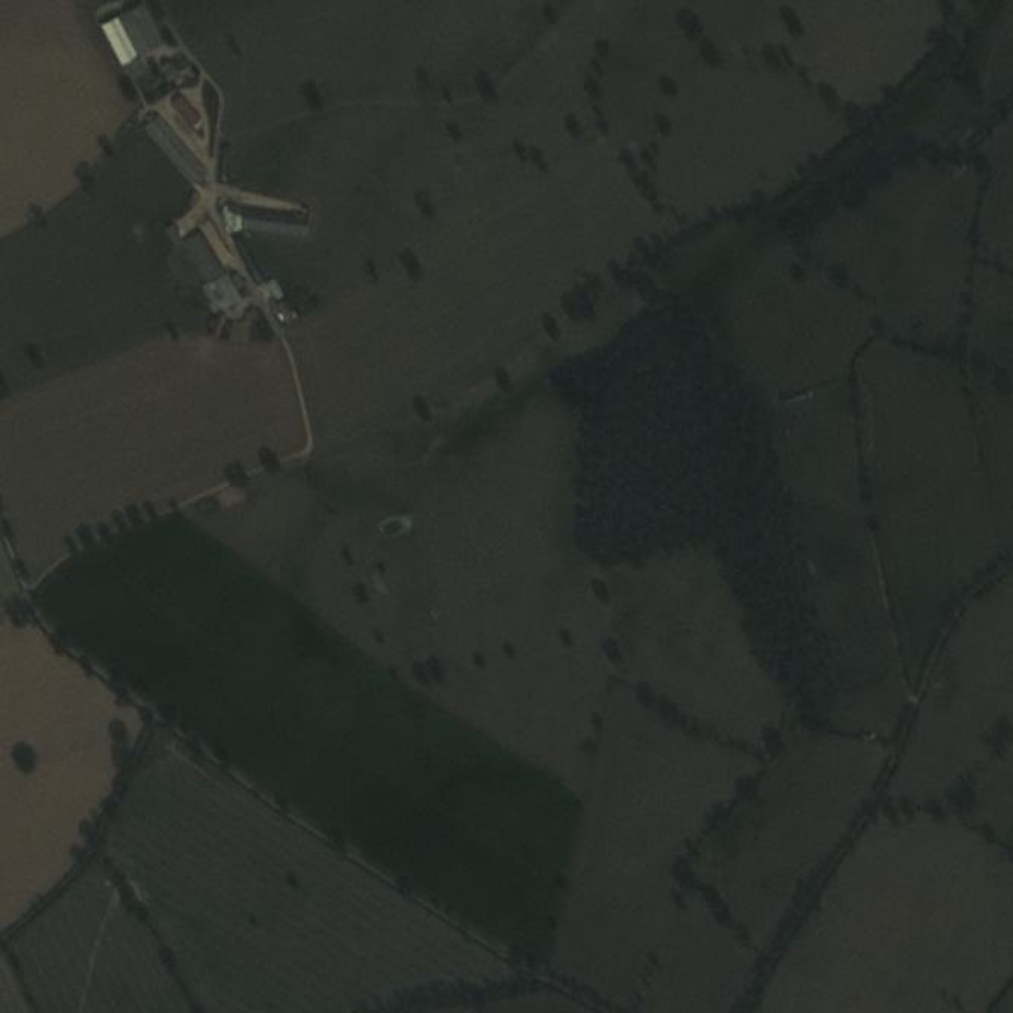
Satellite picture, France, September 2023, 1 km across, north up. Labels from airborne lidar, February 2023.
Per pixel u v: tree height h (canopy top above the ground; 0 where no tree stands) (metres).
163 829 0
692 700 0
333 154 0
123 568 0
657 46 0
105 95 0
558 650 0
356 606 0
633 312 0
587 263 0
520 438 0
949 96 0
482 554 0
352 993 0
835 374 0
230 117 0
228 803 0
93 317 0
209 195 0
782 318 0
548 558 0
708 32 0
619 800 0
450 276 0
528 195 0
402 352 0
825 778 0
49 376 0
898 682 0
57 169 0
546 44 0
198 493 0
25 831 0
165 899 0
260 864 0
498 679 0
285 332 0
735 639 0
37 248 0
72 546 13
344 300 0
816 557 0
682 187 0
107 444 0
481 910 0
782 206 8
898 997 0
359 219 0
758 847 0
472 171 0
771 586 25
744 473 21
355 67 0
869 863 0
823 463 0
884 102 6
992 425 0
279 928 0
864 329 0
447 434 0
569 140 0
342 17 0
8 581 0
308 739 0
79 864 12
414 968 0
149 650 0
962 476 0
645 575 0
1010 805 0
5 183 0
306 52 0
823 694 10
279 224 0
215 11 0
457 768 0
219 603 0
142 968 0
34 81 0
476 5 0
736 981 0
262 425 0
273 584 0
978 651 0
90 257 0
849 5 0
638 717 0
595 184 0
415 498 0
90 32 0
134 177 0
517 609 0
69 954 0
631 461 17
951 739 0
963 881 0
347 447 0
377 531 0
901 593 0
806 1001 0
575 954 0
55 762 0
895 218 0
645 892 0
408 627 0
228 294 0
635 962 0
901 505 0
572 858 0
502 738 0
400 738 0
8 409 0
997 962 0
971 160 14
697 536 20
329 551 0
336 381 0
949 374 0
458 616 0
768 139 0
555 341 0
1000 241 0
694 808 0
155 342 0
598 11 0
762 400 17
